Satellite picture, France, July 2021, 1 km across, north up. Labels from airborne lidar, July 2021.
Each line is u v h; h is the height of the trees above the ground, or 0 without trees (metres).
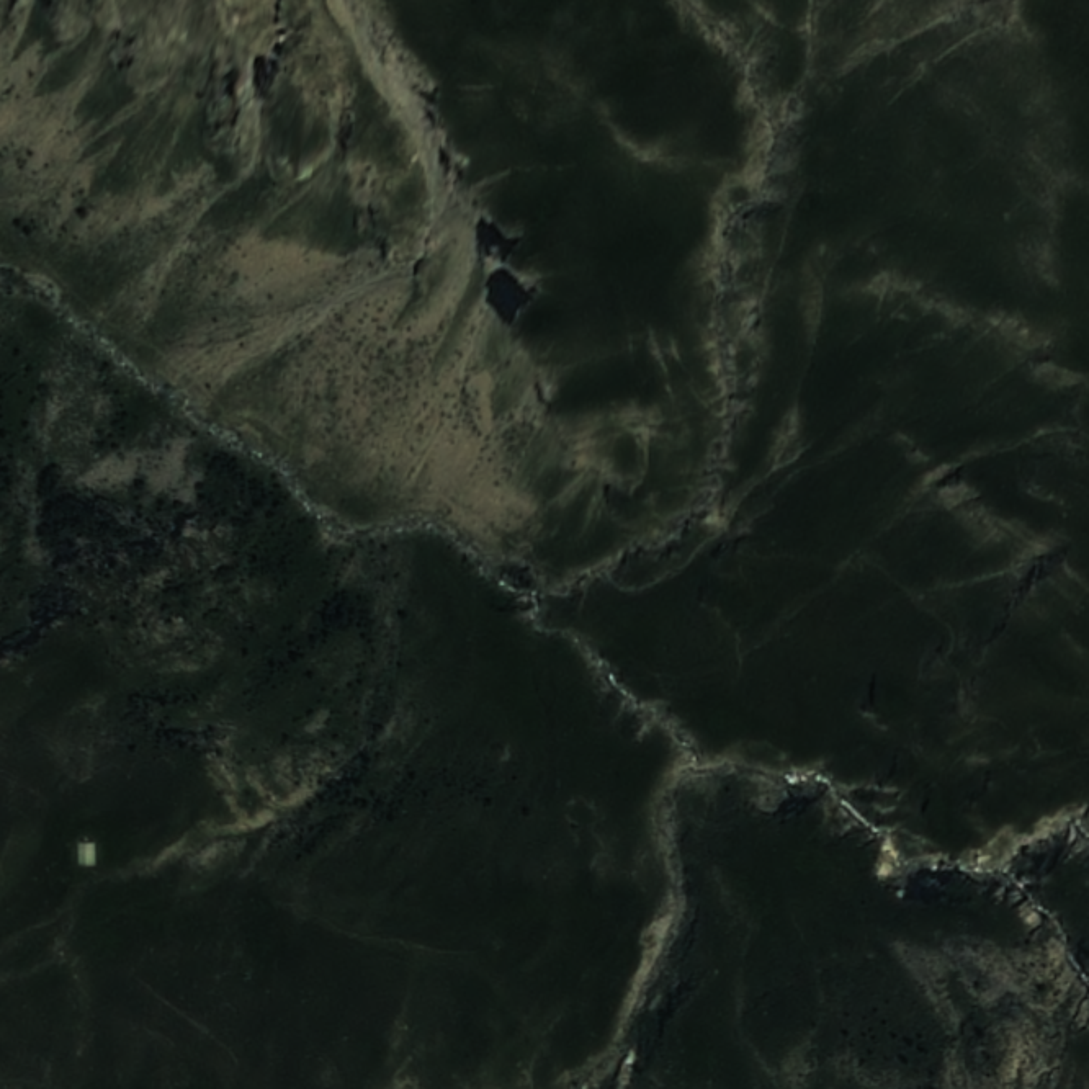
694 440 0
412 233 0
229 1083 0
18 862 0
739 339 0
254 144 0
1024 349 0
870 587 0
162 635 0
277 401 0
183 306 0
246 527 10
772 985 0
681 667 0
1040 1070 0
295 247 0
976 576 0
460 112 0
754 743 0
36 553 0
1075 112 0
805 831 0
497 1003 0
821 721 0
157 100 0
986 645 0
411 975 0
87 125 0
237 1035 0
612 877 0
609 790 0
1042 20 0
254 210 0
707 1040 0
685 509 0
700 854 0
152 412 0
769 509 0
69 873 0
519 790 0
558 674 0
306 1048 0
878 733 0
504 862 0
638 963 0
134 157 0
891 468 0
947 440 0
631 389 0
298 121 0
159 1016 0
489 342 0
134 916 0
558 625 0
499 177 0
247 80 0
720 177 0
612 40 0
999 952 0
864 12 0
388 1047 0
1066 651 0
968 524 0
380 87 0
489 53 0
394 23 0
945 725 0
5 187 0
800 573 0
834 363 0
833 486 0
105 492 0
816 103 0
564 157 0
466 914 0
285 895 0
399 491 0
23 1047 0
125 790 0
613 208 0
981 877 0
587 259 0
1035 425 0
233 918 0
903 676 0
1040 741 0
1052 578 0
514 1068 0
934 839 0
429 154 0
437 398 0
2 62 0
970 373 0
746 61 0
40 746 0
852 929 0
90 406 0
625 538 0
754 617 0
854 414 0
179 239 0
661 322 0
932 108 0
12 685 0
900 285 0
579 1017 0
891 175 0
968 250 0
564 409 0
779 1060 0
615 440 0
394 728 0
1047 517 0
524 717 0
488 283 0
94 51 0
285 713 0
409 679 0
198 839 0
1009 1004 0
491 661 0
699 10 0
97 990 0
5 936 0
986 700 0
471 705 0
